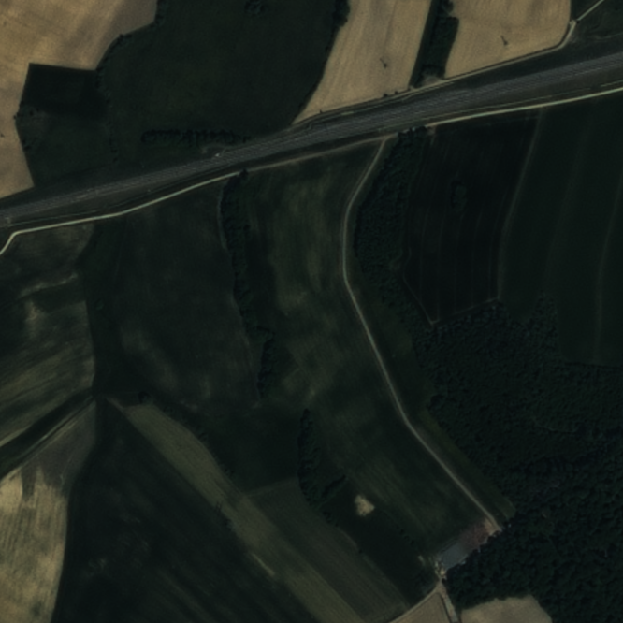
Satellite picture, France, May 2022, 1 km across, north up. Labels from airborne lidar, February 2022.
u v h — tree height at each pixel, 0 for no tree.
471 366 12
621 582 30
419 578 0
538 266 0
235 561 0
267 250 0
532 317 11
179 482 0
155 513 0
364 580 0
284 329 0
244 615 0
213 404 0
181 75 0
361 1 0
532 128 0
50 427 0
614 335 0
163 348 0
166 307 0
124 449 0
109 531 0
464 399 12
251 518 0
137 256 0
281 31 0
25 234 0
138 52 0
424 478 0
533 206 0
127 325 0
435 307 0
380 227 17
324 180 0
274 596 0
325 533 0
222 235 0
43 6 0
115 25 0
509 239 0
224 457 0
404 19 0
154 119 0
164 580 0
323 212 0
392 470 0
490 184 0
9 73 0
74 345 0
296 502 0
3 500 0
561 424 8
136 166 0
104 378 0
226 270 0
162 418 0
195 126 0
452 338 14
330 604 0
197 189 0
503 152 0
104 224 0
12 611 0
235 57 0
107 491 0
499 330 18
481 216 0
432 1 0
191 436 0
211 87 0
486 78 0
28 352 0
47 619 0
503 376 14
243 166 0
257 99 0
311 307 0
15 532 0
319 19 0
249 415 0
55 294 0
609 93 0
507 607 0
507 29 0
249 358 0
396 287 11
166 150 0
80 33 0
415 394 0
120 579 0
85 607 0
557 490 23
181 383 0
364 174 0
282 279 0
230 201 16
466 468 0
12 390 0
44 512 0
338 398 0
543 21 0
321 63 0
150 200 0
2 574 0
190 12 0
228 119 0
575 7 0
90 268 0
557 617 18
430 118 0
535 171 0
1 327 0
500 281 0
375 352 0
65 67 0
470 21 0
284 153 0
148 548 0
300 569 0
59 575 0
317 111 0
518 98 0
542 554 29
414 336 10
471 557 16
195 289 0
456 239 0
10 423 0
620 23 0
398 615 0
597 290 0
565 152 0
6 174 0
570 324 0
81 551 0
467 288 0
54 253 0
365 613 0
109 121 0
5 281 0
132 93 0
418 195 0
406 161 14
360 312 0
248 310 16
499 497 0
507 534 21
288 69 0
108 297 0
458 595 16
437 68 9
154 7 0
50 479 0
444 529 0
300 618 0
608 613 29
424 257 0
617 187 0
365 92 0
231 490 0
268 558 0
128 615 0
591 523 30
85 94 0
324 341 0
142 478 0
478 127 0
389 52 0
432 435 0
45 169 0
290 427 0
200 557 0
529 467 12
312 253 0
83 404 0
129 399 0
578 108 0
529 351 16
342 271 0
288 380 0
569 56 0
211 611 0
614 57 0
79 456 0
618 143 0
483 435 12
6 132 0
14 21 0
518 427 9
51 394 0
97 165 0
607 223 0
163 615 0
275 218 0
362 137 0
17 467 0
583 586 29
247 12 7
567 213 0
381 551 0
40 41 0
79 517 0
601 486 34
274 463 0
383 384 0
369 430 0
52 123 0
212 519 0
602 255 0
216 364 0
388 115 0
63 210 0
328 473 0
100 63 0
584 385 9
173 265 0
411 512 0
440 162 0
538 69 0
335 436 0
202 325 0
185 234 0
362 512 0
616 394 5
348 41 0
